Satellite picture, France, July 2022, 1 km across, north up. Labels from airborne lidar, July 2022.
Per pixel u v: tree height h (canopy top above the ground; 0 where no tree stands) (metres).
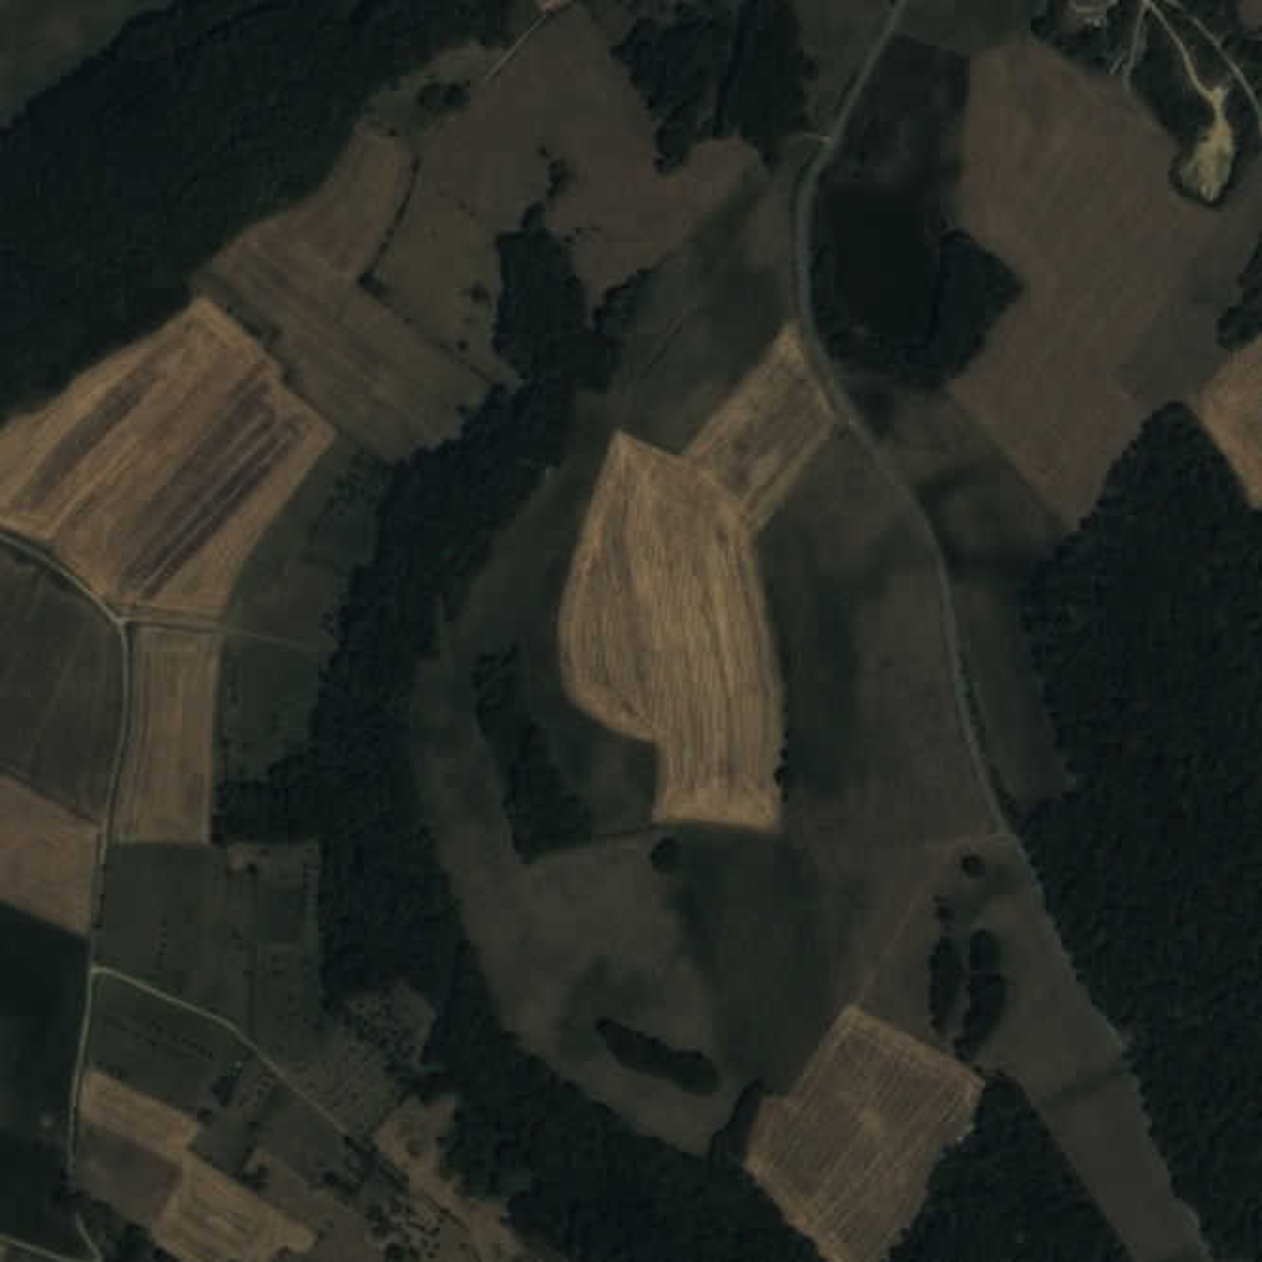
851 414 0
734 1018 0
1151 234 0
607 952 0
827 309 17
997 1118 15
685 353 0
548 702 0
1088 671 22
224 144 7
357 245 0
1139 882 18
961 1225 18
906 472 0
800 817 0
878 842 0
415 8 25
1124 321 0
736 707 0
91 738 0
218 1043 0
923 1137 0
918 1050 0
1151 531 20
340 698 27
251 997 0
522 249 17
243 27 13
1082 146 0
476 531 18
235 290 0
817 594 0
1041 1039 0
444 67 0
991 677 0
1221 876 20
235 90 16
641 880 0
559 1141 23
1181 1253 0
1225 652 21
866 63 0
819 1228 0
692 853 0
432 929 23
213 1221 0
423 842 18
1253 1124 9
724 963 0
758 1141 0
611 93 0
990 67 0
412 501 27
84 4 0
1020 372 0
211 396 0
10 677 0
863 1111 0
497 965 0
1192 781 18
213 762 0
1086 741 17
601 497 0
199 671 0
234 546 0
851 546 0
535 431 24
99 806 0
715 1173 18
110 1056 0
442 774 0
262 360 0
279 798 20
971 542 0
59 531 0
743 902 0
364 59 15
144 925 0
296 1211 0
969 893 0
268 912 0
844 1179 0
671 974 0
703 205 0
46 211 14
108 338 18
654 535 0
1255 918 16
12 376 12
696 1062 17
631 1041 16
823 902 0
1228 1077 15
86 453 0
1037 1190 19
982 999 20
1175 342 0
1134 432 0
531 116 0
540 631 0
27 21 0
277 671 0
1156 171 0
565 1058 0
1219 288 0
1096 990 13
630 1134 18
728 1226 20
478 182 0
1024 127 0
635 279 5
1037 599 17
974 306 15
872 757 0
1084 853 21
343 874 20
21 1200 0
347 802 20
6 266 16
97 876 0
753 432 0
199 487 0
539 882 0
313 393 0
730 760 0
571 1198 17
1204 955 17
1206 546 19
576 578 0
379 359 0
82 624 0
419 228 0
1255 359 0
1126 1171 0
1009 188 0
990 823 0
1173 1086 17
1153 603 22
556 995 0
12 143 15
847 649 0
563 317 18
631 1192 20
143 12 0
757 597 0
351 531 0
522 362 13
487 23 15
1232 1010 16
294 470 0
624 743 0
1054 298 0
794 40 19
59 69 0
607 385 17
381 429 0
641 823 0
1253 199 0
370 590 20
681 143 13
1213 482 20
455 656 0
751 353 0
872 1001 0
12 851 0
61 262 11
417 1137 0
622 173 0
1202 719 20
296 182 20
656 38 11
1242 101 9
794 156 0
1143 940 16
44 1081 0
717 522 0
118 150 17
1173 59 8
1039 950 0
